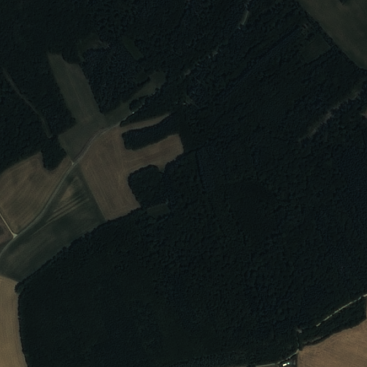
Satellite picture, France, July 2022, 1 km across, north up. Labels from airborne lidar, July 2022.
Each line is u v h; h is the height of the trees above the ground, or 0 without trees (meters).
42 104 22
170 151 0
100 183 0
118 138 0
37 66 32
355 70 20
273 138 22
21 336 12
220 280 20
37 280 11
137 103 22
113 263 14
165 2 23
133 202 0
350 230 22
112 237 21
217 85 23
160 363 12
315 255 22
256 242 12
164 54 28
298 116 26
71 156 0
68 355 11
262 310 16
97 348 15
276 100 10
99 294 12
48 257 0
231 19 21
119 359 14
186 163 23
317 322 14
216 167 17
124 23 21
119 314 13
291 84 12
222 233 7
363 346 0
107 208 0
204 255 28
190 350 11
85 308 14
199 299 14
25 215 0
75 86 0
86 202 0
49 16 26
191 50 22
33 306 14
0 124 25
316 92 17
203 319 11
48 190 0
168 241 27
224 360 20
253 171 19
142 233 14
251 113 16
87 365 13
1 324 0
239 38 31
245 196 15
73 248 15
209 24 20
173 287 18
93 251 18
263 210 14
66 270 14
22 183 0
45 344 12
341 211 19
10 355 0
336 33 0
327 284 17
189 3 13
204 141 14
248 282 20
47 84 25
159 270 15
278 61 15
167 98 25
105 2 27
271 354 14
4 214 0
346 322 6
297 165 22
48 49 16
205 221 26
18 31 25
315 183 23
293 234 31
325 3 0
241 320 17
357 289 17
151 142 14
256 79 15
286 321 27
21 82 22
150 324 16
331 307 17
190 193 13
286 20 16
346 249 16
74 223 0
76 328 11
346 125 18
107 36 24
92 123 0
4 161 20
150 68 21
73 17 25
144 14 25
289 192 16
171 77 23
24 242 0
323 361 0
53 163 21
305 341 9
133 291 16
